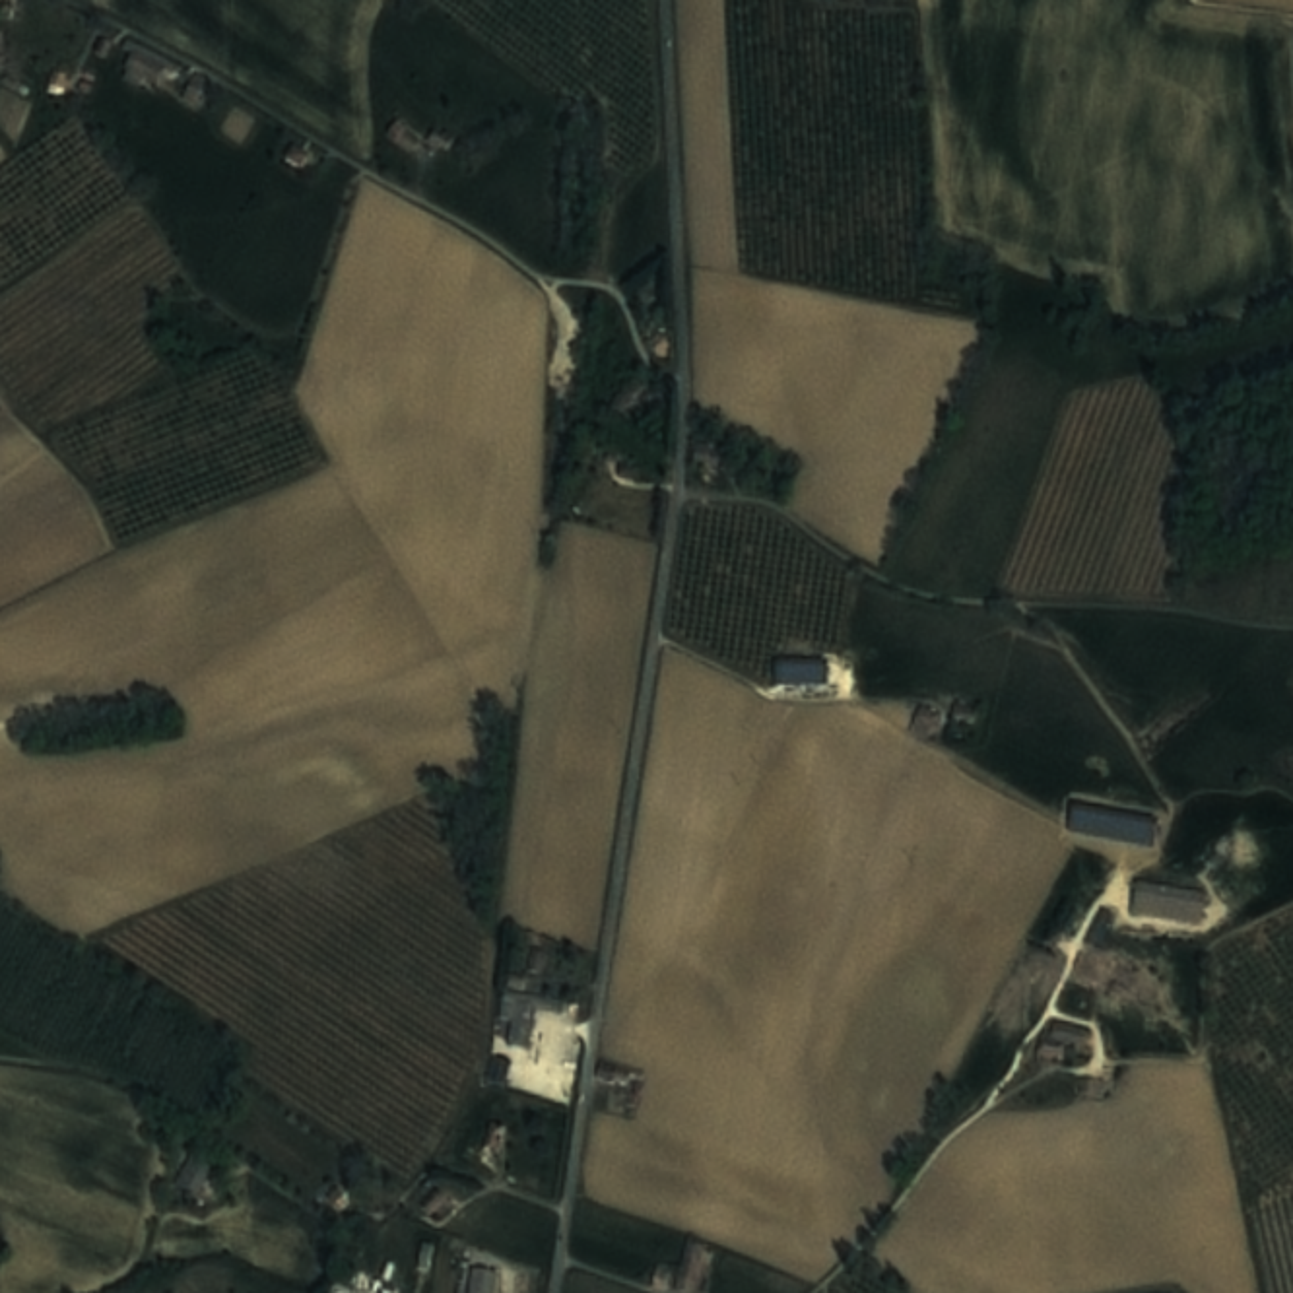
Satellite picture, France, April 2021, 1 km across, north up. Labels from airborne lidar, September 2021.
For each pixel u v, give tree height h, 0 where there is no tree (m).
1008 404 0
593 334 14
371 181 0
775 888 0
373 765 0
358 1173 19
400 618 0
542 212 0
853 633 0
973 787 0
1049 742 0
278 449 6
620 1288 0
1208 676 0
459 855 14
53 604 0
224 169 0
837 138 6
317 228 0
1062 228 0
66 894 0
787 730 0
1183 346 22
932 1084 0
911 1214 0
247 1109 14
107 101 0
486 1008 0
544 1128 10
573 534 0
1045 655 0
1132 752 0
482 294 0
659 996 0
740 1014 0
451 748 0
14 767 0
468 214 0
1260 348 0
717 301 0
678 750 0
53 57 8
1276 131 0
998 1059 0
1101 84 0
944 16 0
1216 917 0
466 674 0
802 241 0
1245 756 0
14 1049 0
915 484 15
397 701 0
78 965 6
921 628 0
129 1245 0
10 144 0
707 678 0
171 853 0
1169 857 0
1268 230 0
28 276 0
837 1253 0
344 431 0
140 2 0
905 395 0
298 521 0
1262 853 0
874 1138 0
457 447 0
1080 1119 0
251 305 0
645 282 7
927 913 0
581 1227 0
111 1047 6
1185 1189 0
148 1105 19
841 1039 0
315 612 0
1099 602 0
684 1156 0
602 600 0
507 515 0
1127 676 0
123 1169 0
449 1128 0
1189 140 0
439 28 0
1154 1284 0
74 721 21
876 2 14
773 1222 0
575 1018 0
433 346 0
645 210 0
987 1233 0
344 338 0
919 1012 0
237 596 0
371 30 0
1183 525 20
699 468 8
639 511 0
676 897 0
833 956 0
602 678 0
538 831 0
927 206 13
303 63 0
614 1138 0
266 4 0
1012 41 0
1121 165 0
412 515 0
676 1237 0
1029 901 0
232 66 0
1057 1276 0
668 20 0
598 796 0
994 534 0
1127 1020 0
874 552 0
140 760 0
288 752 0
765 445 13
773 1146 0
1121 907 0
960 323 0
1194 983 0
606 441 15
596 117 18
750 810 0
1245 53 0
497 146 16
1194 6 0
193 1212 10
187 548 0
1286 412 24
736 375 0
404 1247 0
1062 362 0
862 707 0
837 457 0
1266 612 0
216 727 0
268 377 6
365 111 0
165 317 12
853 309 0
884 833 0
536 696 0
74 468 0
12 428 0
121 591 0
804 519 0
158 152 0
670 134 0
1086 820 0
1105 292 19
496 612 0
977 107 0
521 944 8
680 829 0
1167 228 0
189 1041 8
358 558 0
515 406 0
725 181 0
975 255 19
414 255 0
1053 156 0
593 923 0
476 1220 0
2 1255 14
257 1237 0
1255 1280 0
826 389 0
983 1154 0
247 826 0
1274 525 20
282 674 0
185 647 0
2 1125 0
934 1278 0
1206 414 18
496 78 0
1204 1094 0
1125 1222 0
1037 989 0
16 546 0
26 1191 0
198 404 6
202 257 0
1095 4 0
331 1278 16
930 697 0
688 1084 0
